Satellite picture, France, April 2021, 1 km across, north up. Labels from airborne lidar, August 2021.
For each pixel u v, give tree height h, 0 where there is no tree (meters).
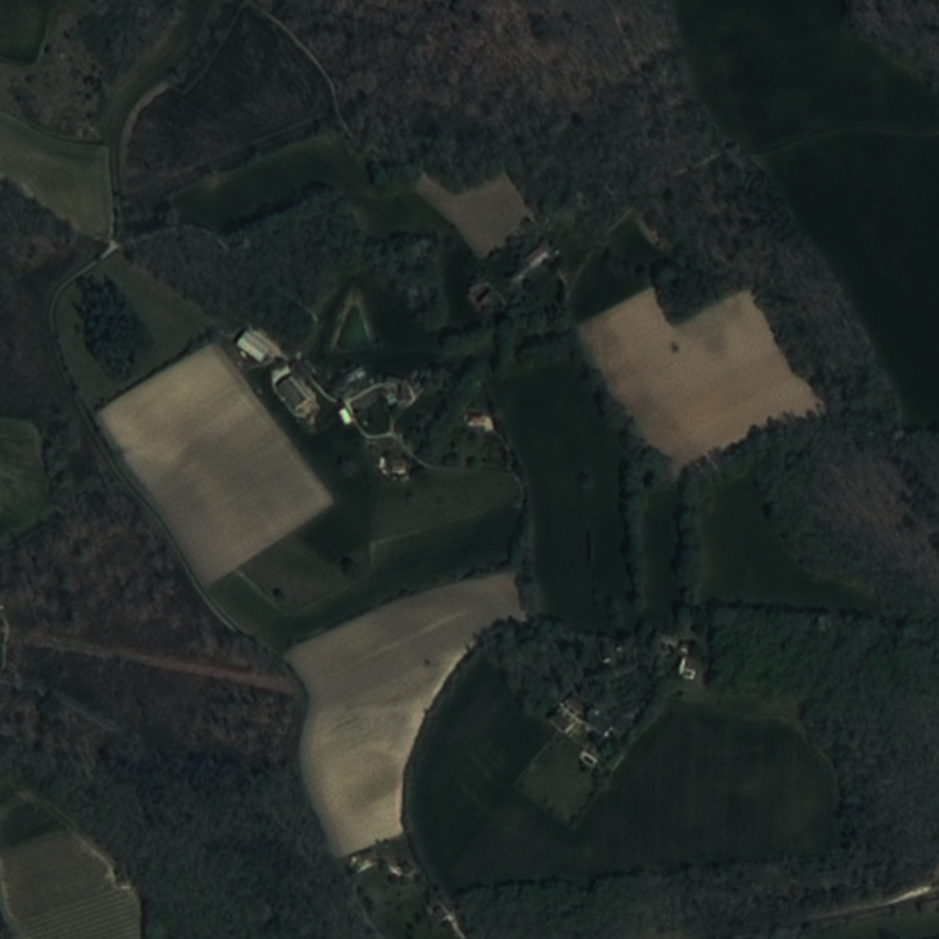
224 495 0
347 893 23
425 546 0
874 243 0
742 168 15
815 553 24
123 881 8
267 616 0
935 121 0
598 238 16
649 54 16
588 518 0
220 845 19
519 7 12
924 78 13
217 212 0
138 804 15
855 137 0
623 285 0
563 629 17
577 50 19
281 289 23
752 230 22
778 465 22
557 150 17
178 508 0
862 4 21
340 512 0
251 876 24
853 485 18
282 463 0
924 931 0
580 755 0
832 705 26
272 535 0
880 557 19
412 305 15
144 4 24
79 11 0
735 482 15
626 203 14
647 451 12
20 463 0
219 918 26
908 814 24
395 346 0
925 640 28
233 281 26
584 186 16
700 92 0
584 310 0
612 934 20
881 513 17
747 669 21
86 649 0
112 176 0
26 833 0
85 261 0
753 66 0
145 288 0
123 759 18
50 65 0
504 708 0
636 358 0
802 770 0
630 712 9
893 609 18
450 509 0
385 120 6
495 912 19
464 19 8
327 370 0
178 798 17
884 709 22
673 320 19
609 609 12
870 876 7
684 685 0
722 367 0
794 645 26
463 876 0
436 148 23
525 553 17
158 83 0
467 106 20
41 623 17
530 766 0
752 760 0
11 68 0
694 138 18
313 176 0
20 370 7
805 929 12
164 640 0
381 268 20
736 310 0
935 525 21
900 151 0
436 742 0
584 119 6
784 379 0
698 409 0
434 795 0
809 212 0
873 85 0
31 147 0
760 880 7
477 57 15
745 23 0
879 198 0
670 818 0
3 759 22
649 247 0
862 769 10
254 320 19
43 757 25
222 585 0
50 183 0
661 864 0
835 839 0
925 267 0
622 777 0
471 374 20
